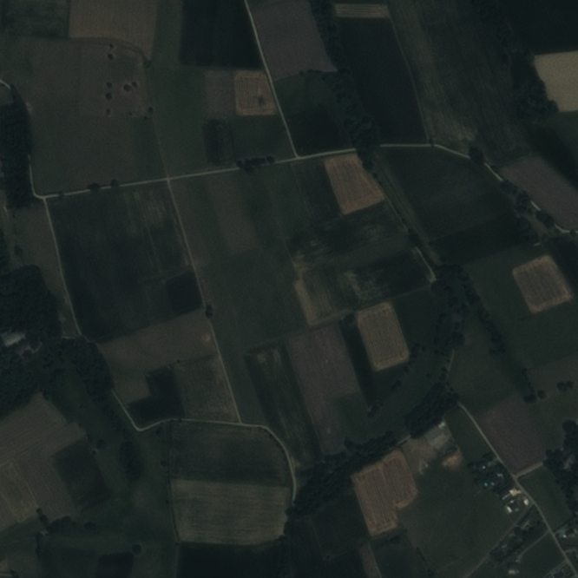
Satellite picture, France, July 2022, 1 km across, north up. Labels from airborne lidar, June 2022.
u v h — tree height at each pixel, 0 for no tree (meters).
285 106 0
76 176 0
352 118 16
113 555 0
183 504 0
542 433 0
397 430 0
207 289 0
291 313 0
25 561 0
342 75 19
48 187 0
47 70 0
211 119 0
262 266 0
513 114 0
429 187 0
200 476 0
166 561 0
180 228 0
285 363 0
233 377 0
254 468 0
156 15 0
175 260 0
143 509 0
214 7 0
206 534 0
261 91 0
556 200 0
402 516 0
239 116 0
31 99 0
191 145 0
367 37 0
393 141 0
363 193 0
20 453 0
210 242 0
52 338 23
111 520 0
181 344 0
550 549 0
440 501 0
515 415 0
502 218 0
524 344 0
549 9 0
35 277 24
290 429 0
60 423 0
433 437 0
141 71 0
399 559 0
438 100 0
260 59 0
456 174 0
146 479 0
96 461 0
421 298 0
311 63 0
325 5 15
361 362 0
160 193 0
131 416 0
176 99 0
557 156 0
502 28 19
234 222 0
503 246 0
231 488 0
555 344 0
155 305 0
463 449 0
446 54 0
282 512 0
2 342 11
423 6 0
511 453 0
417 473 0
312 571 0
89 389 18
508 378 0
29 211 0
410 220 0
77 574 0
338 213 0
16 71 0
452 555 0
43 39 0
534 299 0
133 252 0
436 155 0
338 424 0
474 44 0
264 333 0
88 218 0
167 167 0
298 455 0
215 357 0
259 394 0
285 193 0
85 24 0
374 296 0
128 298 0
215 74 0
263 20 0
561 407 0
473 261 0
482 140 0
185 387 0
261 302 0
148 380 0
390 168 0
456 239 0
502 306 0
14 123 22
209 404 0
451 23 0
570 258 0
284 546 8
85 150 0
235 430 0
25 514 0
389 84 0
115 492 0
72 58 0
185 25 0
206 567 0
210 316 11
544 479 0
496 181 0
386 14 0
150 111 8
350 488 14
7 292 21
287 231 0
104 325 0
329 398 0
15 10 0
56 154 0
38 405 0
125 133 0
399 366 0
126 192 0
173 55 0
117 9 0
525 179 0
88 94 0
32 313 26
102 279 0
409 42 0
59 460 0
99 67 0
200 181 0
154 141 0
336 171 0
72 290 0
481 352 0
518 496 0
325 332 0
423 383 0
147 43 0
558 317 0
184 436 0
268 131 0
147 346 0
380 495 0
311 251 0
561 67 0
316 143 0
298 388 0
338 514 0
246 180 0
